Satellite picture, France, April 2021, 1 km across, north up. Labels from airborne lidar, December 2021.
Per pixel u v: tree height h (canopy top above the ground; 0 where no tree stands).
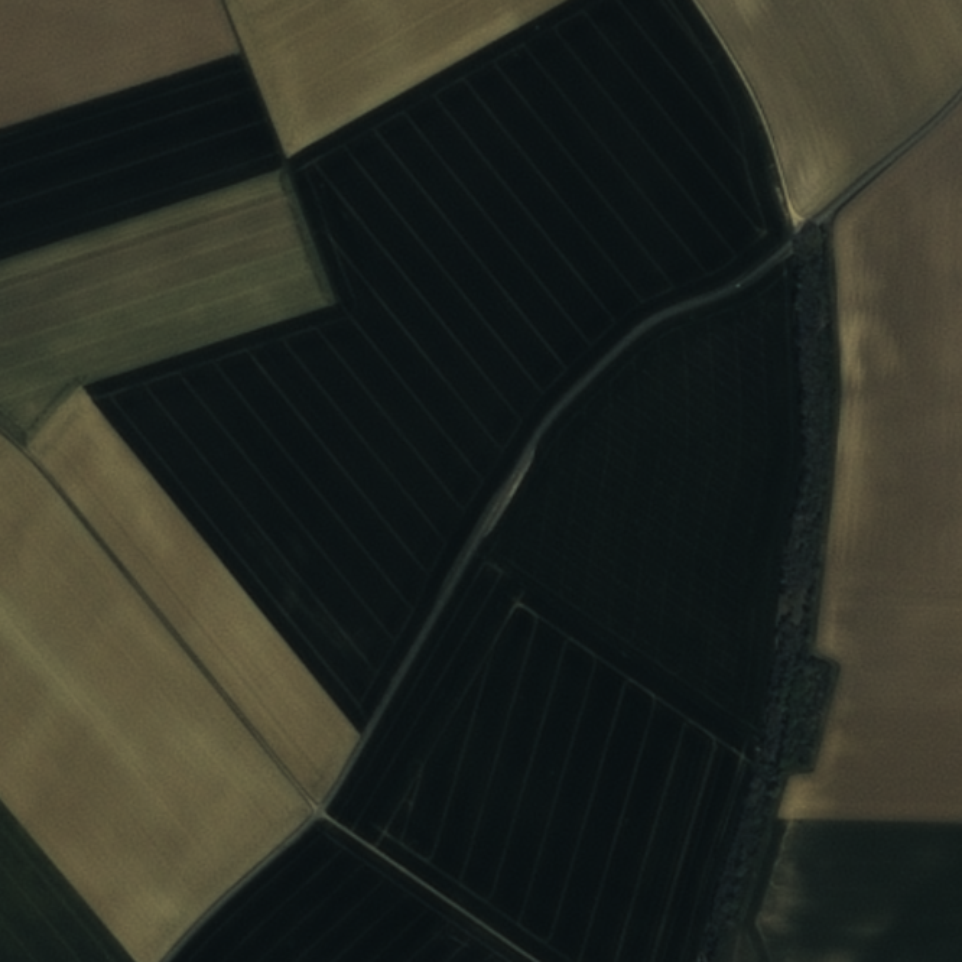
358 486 0
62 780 0
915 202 0
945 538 0
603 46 0
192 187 0
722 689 0
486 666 0
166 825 0
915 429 0
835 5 0
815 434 18
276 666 0
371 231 0
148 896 0
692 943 0
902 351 0
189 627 0
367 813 0
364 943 0
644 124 0
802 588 6
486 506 0
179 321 0
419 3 0
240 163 0
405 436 0
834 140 0
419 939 0
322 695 0
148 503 0
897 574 0
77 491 0
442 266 0
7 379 0
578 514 0
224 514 0
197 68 0
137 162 0
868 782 0
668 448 0
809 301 16
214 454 0
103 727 0
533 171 0
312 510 0
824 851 0
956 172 0
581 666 0
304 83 0
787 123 0
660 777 0
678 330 0
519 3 0
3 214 0
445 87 0
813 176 0
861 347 0
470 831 0
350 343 0
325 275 0
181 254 0
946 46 0
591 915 0
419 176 0
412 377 0
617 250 0
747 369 0
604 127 0
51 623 0
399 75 0
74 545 0
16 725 0
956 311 0
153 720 0
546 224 0
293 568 0
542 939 0
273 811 0
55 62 0
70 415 0
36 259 0
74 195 0
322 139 0
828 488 11
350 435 0
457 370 0
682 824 0
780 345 0
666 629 0
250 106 0
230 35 0
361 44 0
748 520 0
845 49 0
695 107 0
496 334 0
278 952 0
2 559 0
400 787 0
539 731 0
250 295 0
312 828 0
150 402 0
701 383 0
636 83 0
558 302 0
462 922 0
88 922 0
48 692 0
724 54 0
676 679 0
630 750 0
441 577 0
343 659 0
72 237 0
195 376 0
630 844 0
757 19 0
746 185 0
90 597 0
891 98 0
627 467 0
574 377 0
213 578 0
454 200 0
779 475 0
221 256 0
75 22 0
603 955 0
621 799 0
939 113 0
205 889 0
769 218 0
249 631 0
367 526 0
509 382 0
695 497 0
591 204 0
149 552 0
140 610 0
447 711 0
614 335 0
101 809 0
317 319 0
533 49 0
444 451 0
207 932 0
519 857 0
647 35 0
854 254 0
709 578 0
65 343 0
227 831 0
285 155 0
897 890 0
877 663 0
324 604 0
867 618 0
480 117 0
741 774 0
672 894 0
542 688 0
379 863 0
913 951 0
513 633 0
